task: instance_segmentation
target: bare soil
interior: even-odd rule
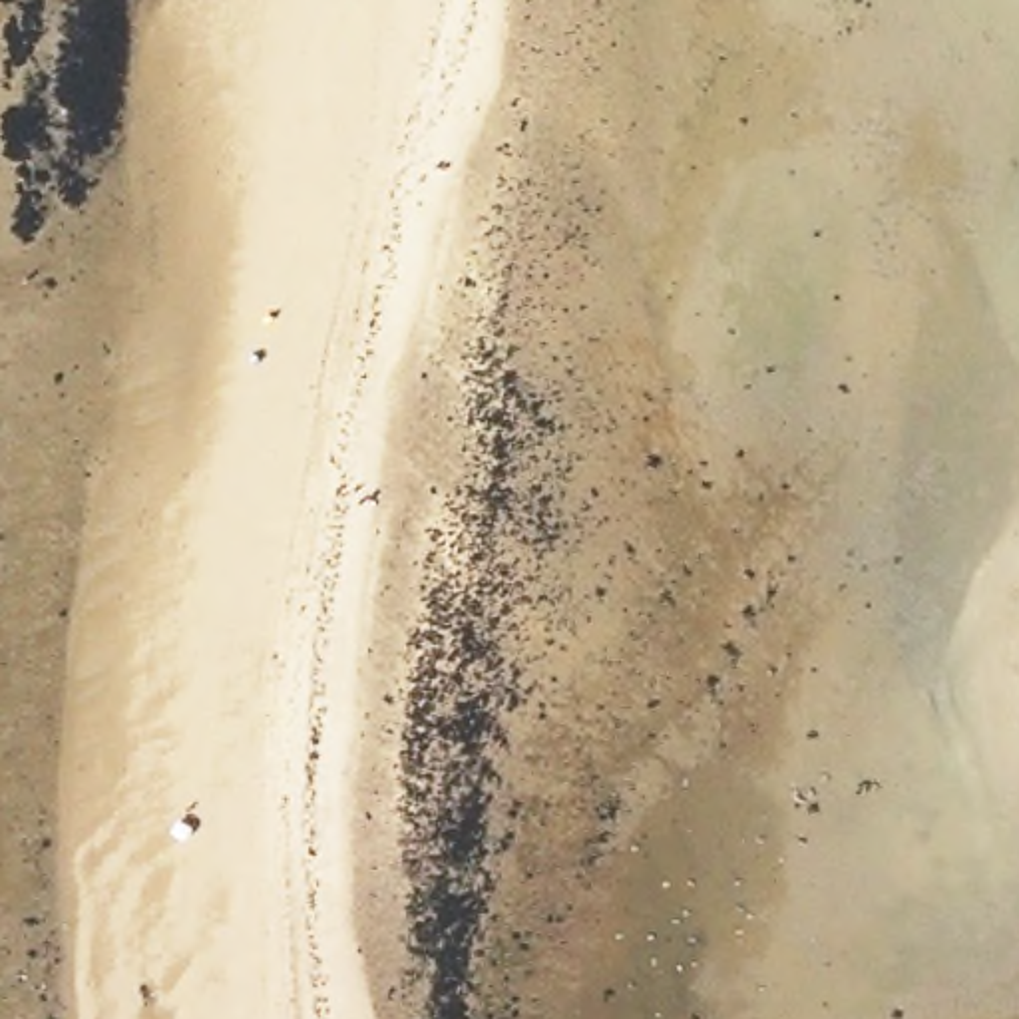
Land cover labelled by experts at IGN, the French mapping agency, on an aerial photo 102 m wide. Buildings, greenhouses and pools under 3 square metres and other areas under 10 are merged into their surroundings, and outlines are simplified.
[[[1019,1019],[1019,0],[0,0],[0,1019]]]

